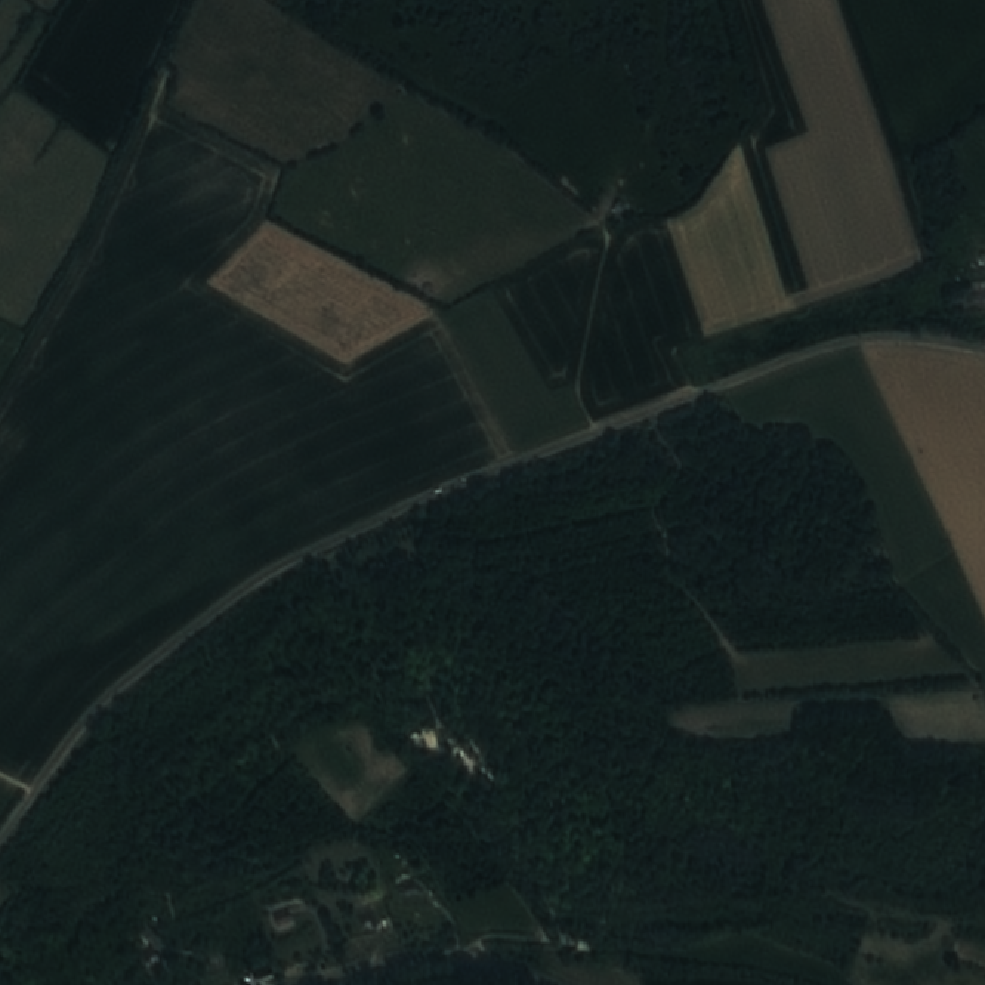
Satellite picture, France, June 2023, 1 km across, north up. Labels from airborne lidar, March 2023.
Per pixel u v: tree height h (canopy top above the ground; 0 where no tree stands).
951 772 7
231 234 0
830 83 0
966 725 0
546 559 12
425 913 0
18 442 0
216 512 0
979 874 6
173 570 0
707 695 10
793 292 0
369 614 21
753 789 15
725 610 7
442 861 11
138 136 0
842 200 0
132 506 0
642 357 0
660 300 0
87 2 0
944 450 0
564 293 0
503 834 19
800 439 20
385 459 0
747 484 19
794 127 0
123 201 0
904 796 18
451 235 0
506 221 0
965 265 0
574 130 0
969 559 0
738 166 0
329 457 0
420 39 0
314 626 10
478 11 5
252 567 0
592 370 0
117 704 15
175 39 9
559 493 11
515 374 0
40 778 0
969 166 0
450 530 9
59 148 0
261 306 0
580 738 17
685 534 20
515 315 0
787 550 19
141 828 18
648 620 11
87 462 0
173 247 0
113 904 12
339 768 0
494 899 0
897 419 0
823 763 19
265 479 0
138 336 0
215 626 7
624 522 10
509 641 22
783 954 0
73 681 0
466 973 34
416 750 16
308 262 0
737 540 25
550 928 16
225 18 0
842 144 0
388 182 0
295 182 0
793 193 0
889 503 0
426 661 15
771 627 10
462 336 0
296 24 0
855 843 5
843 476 20
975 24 0
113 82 0
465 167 0
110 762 8
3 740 0
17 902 9
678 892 15
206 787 12
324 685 11
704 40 14
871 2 0
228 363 0
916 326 7
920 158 11
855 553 9
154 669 7
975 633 0
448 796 19
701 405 12
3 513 0
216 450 0
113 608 0
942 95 0
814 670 0
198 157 0
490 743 21
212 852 18
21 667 0
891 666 0
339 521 0
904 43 0
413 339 0
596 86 0
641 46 6
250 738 19
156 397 0
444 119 0
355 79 0
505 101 0
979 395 0
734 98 0
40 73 0
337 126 0
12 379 0
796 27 0
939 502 0
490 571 17
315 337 0
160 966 13
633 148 0
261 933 17
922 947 0
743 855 13
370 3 8
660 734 17
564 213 0
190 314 0
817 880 7
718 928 7
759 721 0
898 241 0
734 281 0
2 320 0
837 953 10
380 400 0
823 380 0
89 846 9
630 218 9
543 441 0
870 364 0
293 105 0
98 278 0
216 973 0
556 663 15
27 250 0
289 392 0
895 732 15
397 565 25
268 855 6
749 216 0
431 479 0
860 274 0
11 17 0
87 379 0
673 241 0
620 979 0
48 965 16
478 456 0
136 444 0
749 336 0
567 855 14
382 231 0
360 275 0
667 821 16
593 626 16
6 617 0
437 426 0
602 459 11
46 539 0
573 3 0
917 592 0
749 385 0
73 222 0
